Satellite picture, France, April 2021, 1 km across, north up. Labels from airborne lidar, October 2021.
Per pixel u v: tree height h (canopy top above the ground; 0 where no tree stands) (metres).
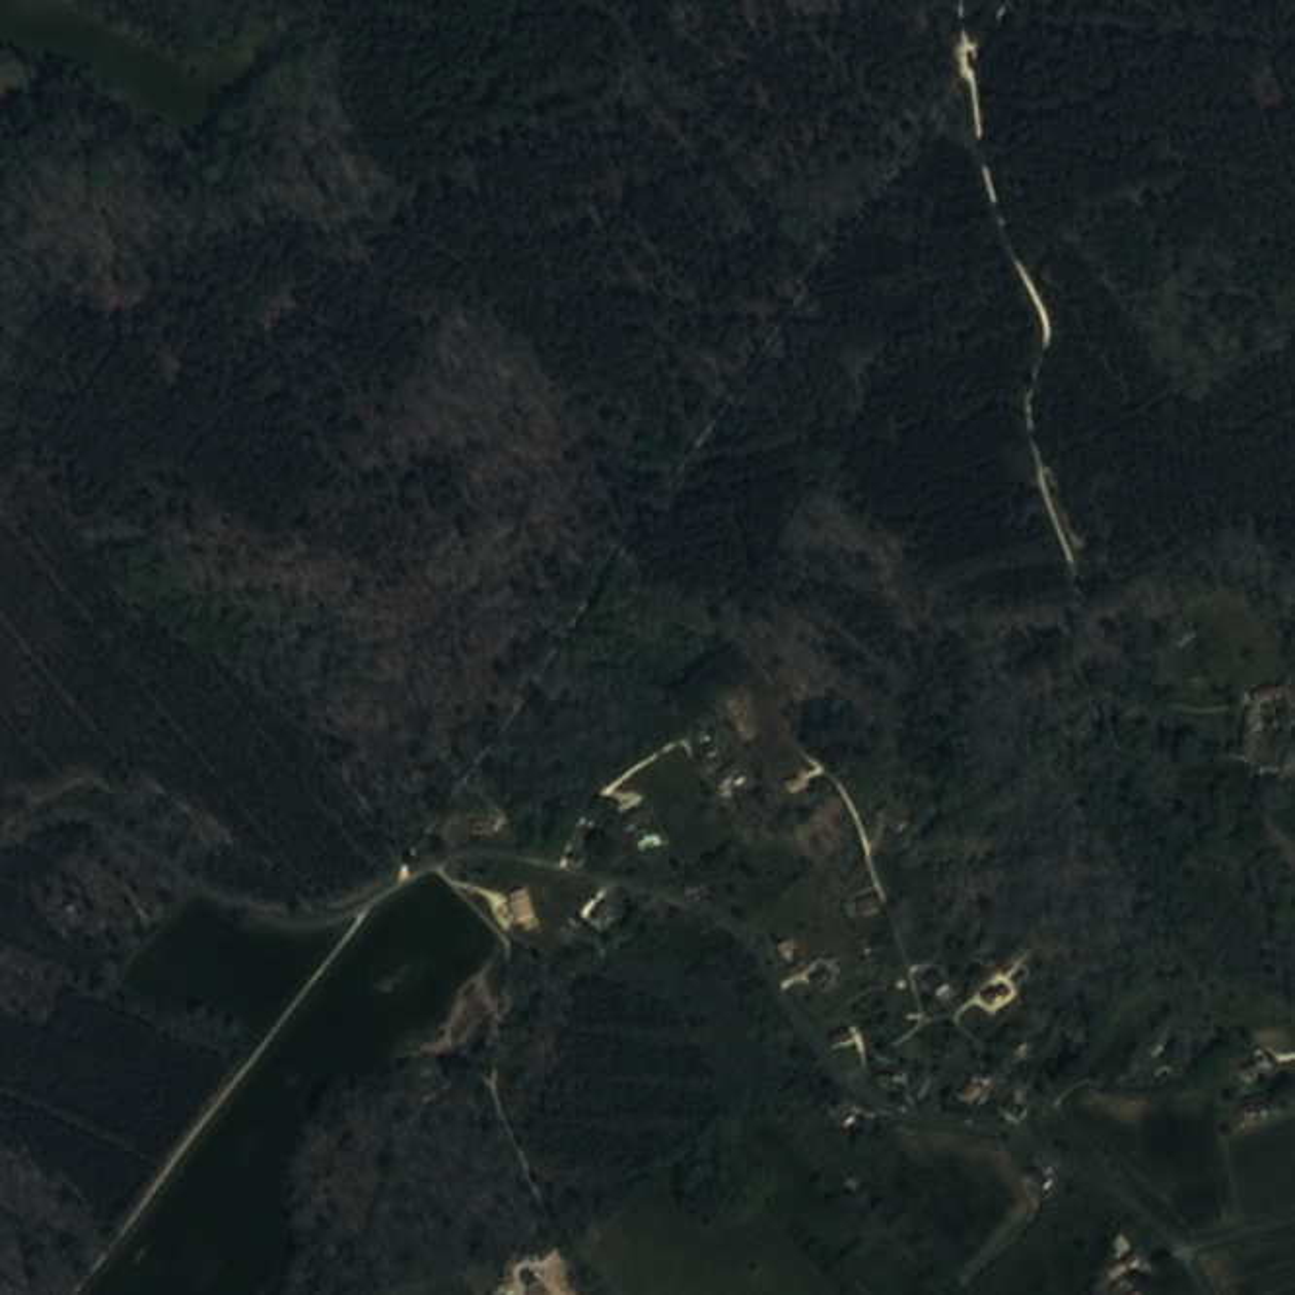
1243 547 23
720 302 21
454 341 18
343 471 13
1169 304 20
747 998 14
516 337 20
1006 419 15
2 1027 12
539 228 26
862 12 14
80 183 25
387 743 6
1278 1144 0
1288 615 22
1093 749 15
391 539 7
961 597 12
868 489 12
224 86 0
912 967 0
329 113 18
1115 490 15
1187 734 9
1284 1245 0
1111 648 18
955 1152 0
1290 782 10
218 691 11
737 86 13
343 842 12
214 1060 14
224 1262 0
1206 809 13
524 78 20
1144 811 27
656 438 10
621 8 19
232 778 11
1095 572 11
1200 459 14
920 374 14
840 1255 6
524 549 9
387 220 19
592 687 14
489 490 9
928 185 14
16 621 13
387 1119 24
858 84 13
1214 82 19
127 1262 0
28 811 15
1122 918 13
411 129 24
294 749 11
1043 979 17
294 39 11
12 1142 15
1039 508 17
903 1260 0
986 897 11
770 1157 0
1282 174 24
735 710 0
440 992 0
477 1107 20
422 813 17
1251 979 13
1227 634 0
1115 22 13
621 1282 0
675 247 21
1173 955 19
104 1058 12
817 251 14
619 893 6
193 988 0
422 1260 26
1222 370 17
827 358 23
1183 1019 18
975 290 20
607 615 9
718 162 15
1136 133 22
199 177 20
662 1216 0
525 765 11
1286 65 19
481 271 20
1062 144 21
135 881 10
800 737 8
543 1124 11
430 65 25
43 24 0
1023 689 10
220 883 11
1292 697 0
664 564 20
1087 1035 10
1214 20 21
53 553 11
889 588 10
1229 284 21
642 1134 15
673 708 15
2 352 22
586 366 19
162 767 11
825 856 17
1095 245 17
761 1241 0
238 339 21
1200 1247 0
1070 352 13
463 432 13
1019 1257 0
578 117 14
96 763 14
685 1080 15
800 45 15
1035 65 21
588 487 14
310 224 16
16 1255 13
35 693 13
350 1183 14
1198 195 21
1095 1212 0
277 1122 0
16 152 19
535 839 20
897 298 9
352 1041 0
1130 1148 0
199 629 18
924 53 15
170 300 18
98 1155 13
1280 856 15
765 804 18
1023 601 16
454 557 12
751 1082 22
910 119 15
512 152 19
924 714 24
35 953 11
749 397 20
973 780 12
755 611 21
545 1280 0
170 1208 0
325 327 18
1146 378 16
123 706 13
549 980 11
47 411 21
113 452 23
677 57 17
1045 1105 6
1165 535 16
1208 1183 0
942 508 17
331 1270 21
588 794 14
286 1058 0
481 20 21
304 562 15
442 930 0
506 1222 20
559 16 19
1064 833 16
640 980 14
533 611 13
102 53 0
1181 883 14
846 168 12
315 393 22
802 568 19
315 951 0
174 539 16
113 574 17
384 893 0
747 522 16
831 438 15
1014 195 18
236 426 20
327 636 13
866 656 11
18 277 20
